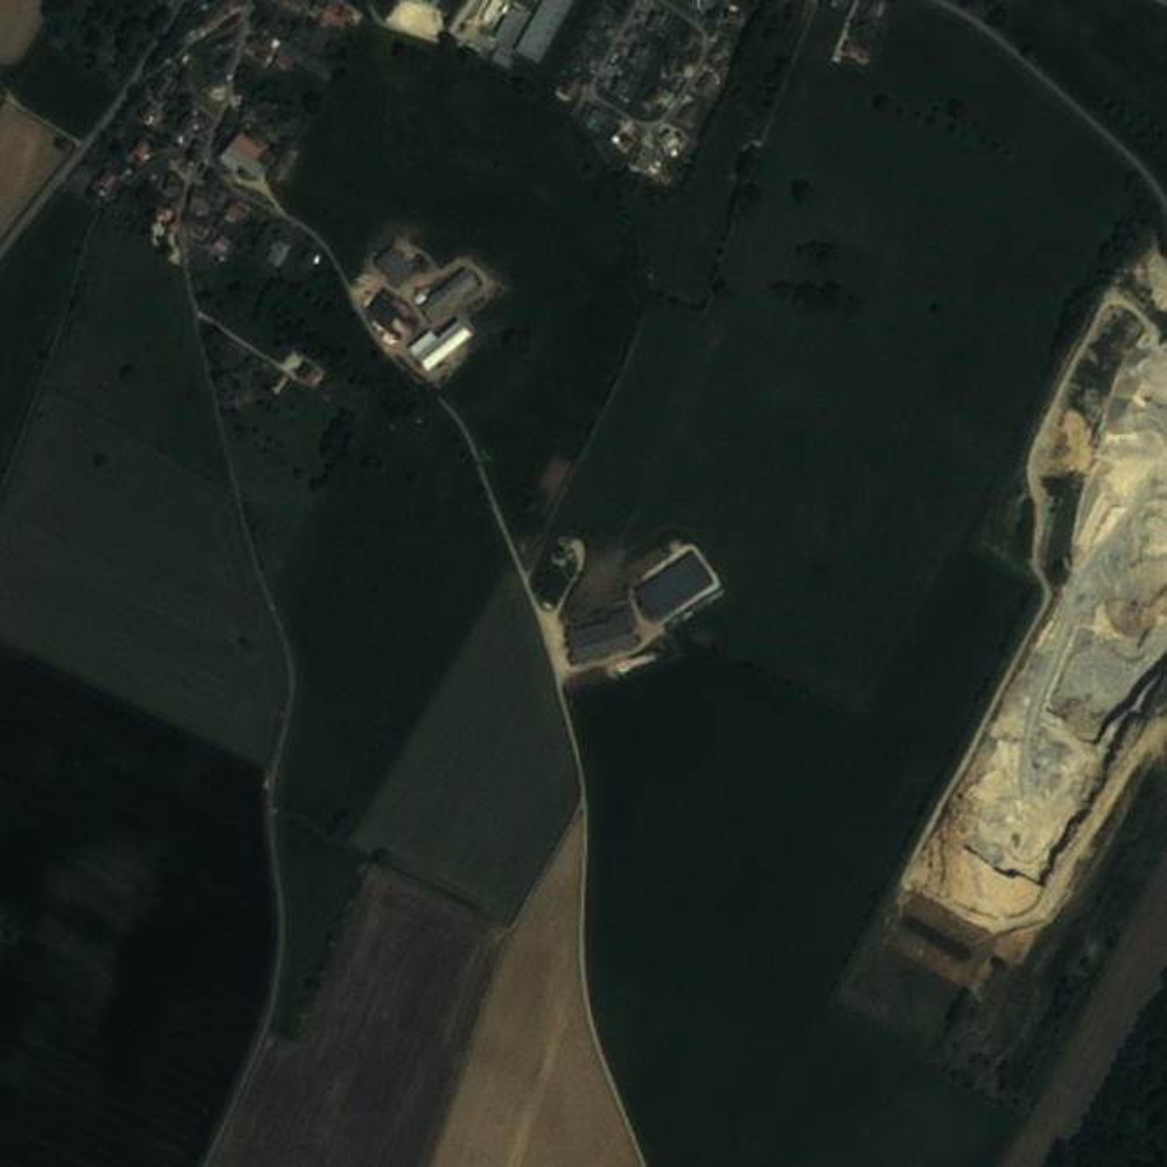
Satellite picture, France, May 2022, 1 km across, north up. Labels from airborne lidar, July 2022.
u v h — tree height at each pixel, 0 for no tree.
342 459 13
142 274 0
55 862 0
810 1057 0
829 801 0
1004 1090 10
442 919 0
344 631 0
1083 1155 27
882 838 0
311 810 0
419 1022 0
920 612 0
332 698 0
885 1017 0
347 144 0
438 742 0
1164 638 0
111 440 0
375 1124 0
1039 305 0
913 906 0
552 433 0
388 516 0
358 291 0
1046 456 0
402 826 0
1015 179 0
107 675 0
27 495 0
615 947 0
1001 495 0
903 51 0
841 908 0
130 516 0
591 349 0
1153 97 0
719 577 0
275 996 0
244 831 0
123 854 0
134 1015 0
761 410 0
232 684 0
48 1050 0
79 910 0
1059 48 0
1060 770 0
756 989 0
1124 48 0
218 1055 0
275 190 0
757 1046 0
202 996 0
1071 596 0
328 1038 0
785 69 14
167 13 10
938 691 0
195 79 0
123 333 0
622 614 0
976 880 0
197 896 0
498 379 0
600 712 0
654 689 0
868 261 0
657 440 0
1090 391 0
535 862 0
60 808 0
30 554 0
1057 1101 0
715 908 0
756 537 0
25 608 0
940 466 0
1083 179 0
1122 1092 25
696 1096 0
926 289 0
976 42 0
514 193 0
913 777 0
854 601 0
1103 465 0
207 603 0
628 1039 0
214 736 0
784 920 0
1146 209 9
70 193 0
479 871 0
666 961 0
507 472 0
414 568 0
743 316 0
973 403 0
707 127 8
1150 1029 26
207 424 0
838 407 0
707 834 0
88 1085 0
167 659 0
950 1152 0
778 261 0
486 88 0
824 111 0
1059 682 0
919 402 0
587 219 0
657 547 0
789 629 0
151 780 0
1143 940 0
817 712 0
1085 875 0
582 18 0
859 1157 0
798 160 0
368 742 0
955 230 0
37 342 0
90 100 0
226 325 0
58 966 0
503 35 0
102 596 0
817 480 0
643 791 0
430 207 0
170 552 0
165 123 7
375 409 0
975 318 0
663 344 0
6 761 0
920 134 0
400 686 0
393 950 0
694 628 0
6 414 0
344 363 8
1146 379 0
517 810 0
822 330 0
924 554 0
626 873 0
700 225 0
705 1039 0
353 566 0
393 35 0
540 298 0
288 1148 0
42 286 0
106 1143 0
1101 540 0
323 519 0
